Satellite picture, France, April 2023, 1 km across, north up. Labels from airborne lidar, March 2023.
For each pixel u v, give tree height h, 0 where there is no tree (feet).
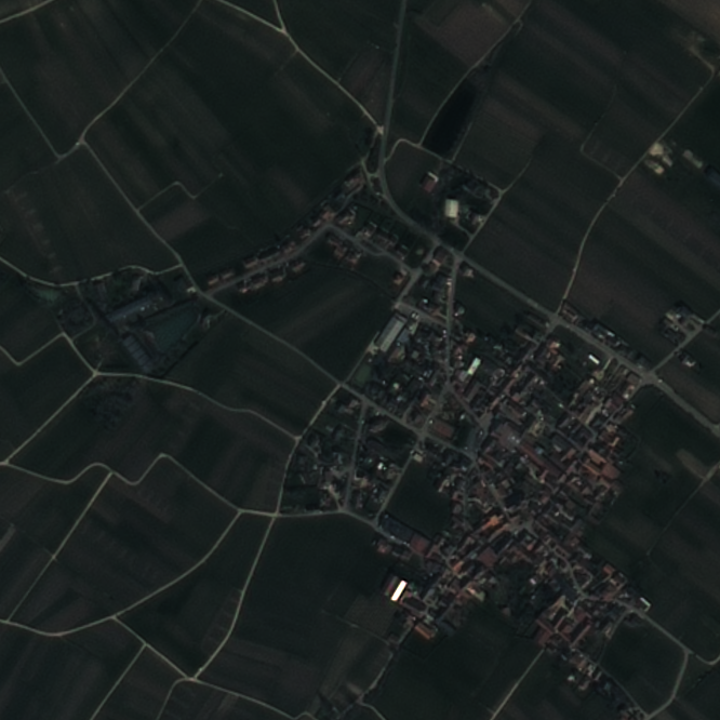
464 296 0
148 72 0
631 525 0
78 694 0
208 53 0
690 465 0
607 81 0
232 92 0
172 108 0
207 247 0
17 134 0
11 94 0
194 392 0
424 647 0
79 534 0
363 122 0
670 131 0
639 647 0
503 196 0
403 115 0
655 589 0
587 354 0
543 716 0
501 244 0
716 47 0
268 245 0
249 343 0
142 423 0
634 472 0
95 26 0
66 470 0
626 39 0
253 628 0
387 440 0
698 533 0
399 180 0
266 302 0
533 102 0
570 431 0
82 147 0
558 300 0
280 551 0
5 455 0
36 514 0
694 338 0
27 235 0
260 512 0
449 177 29
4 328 0
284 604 0
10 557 0
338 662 0
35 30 0
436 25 0
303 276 0
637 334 0
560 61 0
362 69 0
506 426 0
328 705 53
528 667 0
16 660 0
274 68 0
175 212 0
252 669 0
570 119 0
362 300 0
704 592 0
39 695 0
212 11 0
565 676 0
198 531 0
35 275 0
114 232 0
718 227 0
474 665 0
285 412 0
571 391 22
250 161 0
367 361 0
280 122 0
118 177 0
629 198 0
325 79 0
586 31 0
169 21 0
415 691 0
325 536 0
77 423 0
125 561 0
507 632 0
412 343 32
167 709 0
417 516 0
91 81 0
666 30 0
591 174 0
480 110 0
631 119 0
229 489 0
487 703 0
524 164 0
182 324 0
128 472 0
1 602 0
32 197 0
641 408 0
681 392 0
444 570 0
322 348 0
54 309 0
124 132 0
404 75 0
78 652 0
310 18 0
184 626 0
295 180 0
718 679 0
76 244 0
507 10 0
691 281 0
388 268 0
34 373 0
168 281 0
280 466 0
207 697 0
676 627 0
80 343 0
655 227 0
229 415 0
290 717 0
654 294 0
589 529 0
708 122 0
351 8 0
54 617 0
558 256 0
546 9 0
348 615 0
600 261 0
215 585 0
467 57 0
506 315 0
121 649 0
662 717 0
